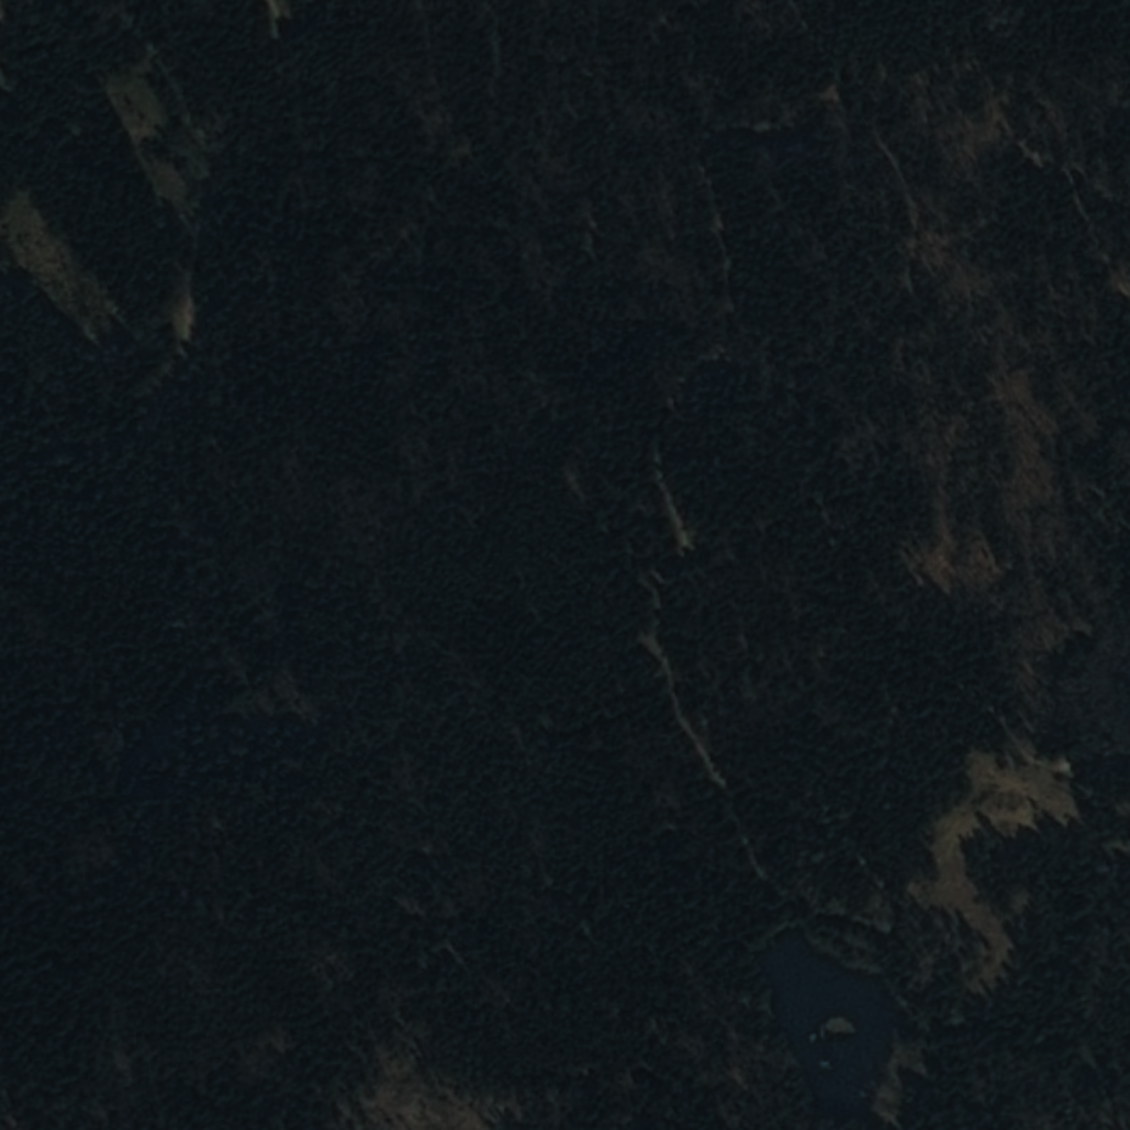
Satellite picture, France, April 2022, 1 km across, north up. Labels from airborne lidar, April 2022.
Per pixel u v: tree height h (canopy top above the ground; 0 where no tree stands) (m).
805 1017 0
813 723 26
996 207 23
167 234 30
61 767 20
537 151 17
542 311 15
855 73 23
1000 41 25
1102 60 20
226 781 17
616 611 26
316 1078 24
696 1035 17
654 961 18
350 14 22
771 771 25
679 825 12
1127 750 15
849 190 22
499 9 21
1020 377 22
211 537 25
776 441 23
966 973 27
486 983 12
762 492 21
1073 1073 20
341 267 21
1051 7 30
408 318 20
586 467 20
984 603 22
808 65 26
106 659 28
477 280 25
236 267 20
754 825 26
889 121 26
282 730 11
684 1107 23
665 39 23
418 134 30
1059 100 25
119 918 24
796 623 21
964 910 0
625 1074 18
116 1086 20
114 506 25
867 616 20
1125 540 12
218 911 24
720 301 17
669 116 17
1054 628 26
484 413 19
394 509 19
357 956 21
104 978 24
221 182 22
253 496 21
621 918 24
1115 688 21
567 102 25
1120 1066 20
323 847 17
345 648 15
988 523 21
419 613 23
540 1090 18
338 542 19
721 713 21
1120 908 22
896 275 23
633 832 20
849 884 29
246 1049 21
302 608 16
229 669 21
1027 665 21
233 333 28
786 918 20
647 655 21
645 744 21
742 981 16
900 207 21
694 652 18
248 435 25
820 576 22
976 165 21
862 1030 0
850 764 26
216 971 21
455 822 20
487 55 26
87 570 20
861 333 24
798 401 9
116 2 17
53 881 25
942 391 18
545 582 26
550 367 25
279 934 27
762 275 20
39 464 29
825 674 20
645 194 19
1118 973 17
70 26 30
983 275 20
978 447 23
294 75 27
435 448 18
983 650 27
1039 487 23
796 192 24
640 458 17
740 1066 20
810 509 21
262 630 24
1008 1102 27
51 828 18
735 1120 20
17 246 0
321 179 25
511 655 25
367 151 20
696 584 19
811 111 20
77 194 32
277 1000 30
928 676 27
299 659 18
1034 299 23
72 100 33
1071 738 20
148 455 25
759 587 19
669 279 16
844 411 17
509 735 16
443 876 24
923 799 23
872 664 22
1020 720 23
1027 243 26
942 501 23
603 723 16
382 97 29
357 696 23
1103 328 20
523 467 23
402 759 18
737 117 22
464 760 21
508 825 21
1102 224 20
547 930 20
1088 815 28
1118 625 24
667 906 23
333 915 19
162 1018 28
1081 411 22
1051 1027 29
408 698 21
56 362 27
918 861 24
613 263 18
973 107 28
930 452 22
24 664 21
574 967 23
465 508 19
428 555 24
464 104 22
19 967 29
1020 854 24
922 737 20
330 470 20
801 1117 21
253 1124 22
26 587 23
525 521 19
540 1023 17
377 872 20
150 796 17
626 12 22
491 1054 16
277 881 21
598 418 16
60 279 0
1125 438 21
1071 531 25
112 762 16
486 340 18
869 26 29
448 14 26
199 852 13
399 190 26
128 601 17
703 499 19
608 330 23
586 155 22
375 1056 23
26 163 25
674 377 20
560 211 22
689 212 20
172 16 25
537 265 22
